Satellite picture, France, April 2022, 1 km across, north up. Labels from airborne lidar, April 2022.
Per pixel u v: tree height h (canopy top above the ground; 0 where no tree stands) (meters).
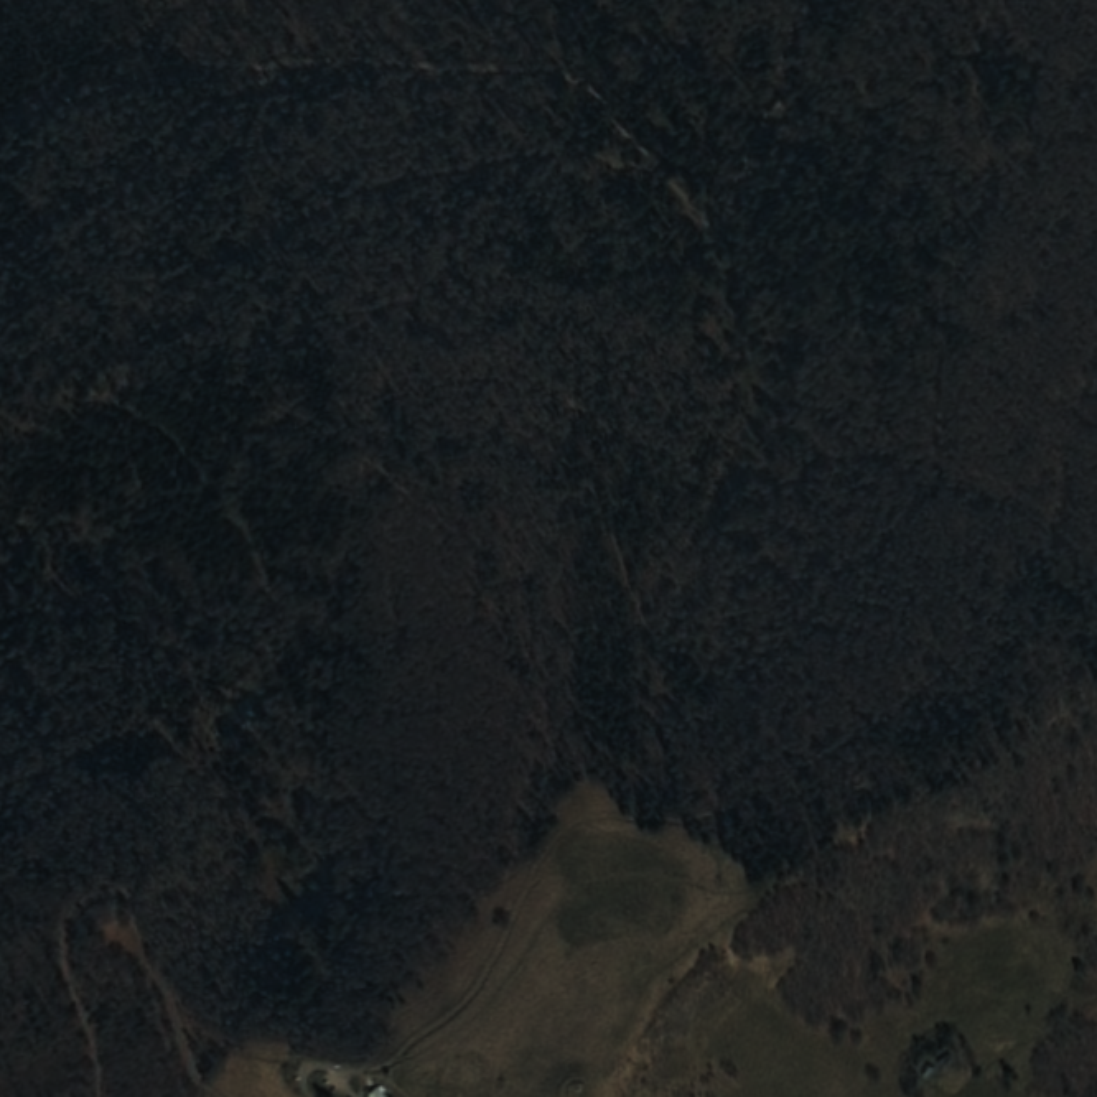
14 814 14
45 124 31
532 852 13
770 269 35
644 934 0
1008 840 19
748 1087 0
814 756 21
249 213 26
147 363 19
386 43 35
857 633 24
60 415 13
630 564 9
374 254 28
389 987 7
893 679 24
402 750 23
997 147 30
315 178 30
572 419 25
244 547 21
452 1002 0
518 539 17
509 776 16
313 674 24
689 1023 0
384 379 24
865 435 32
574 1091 0
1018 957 0
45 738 31
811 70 26
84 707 29
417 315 12
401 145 31
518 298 19
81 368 16
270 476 21
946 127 30
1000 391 21
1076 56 26
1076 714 16
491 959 0
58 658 29
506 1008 0
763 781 17
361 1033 16
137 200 31
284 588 30
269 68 0
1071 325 21
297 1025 16
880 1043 0
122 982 18
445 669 20
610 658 25
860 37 34
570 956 0
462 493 19
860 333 25
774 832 15
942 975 0
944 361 22
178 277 7
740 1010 0
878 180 24
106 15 18
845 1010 13
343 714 27
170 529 26
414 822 20
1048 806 22
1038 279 23
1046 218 28
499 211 25
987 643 20
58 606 23
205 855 26
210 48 12
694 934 0
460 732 18
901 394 25
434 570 20
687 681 15
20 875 11
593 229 26
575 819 0
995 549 17
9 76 19
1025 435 21
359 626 22
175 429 18
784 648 23
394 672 20
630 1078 0
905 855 19
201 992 20
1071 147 29
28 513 30
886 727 16
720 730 18
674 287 35
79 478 23
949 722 14
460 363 28
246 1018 20
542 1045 0
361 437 19
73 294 28
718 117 40
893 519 25
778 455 33
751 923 8
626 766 8
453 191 10
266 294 25
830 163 34
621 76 43
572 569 13
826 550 11
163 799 22
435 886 23
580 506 12
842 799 18
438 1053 0
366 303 26
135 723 26
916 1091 14
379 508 17
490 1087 0
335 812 27
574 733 21
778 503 35
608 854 0
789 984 13
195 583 16
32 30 15
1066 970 0
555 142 34
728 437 22
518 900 0
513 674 17
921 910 14
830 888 9
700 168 11
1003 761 15
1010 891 16
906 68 30
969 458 24
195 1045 8
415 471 18
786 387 17
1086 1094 22
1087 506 22
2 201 28
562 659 20
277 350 21
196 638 26
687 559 33
